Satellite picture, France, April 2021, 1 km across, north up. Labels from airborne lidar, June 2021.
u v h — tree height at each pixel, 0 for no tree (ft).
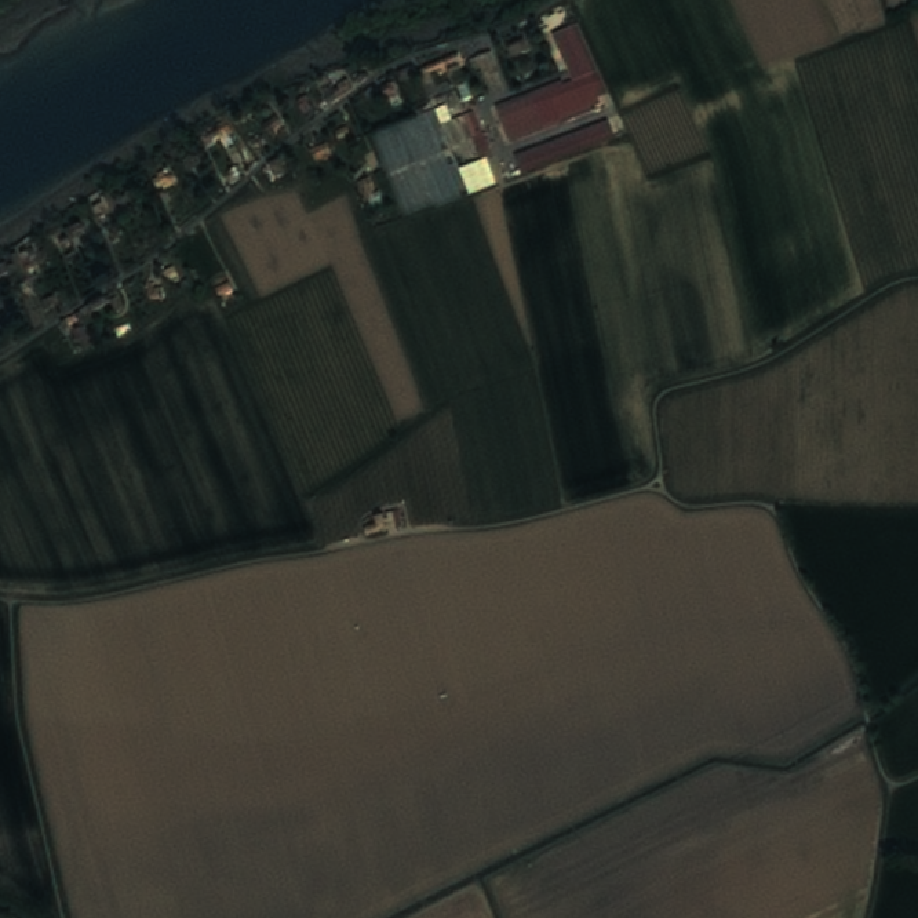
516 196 0
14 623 0
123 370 0
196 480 0
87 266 40
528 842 0
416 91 0
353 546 0
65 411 0
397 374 0
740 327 0
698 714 0
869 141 0
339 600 0
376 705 0
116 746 0
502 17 32
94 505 0
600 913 0
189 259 0
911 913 0
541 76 36
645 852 0
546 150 0
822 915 0
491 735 0
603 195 0
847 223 0
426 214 0
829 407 0
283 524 0
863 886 0
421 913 0
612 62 0
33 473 0
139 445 0
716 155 0
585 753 0
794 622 0
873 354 0
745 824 0
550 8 0
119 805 0
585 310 0
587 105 0
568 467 0
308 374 0
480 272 0
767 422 0
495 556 0
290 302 0
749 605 0
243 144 0
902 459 0
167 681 0
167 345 0
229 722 0
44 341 0
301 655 0
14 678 0
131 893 0
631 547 0
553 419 0
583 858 0
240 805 0
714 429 0
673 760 0
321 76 34
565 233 0
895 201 0
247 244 0
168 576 0
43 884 0
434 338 0
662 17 0
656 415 0
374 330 0
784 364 0
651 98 0
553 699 0
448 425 0
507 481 0
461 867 0
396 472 0
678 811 0
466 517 0
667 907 0
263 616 0
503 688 0
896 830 0
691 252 0
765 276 0
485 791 0
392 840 0
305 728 0
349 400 0
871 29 0
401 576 0
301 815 0
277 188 0
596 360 0
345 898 0
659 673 0
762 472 0
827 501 0
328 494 0
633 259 0
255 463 0
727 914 0
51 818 0
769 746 0
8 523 0
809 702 0
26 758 0
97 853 0
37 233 37
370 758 0
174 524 0
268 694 0
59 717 0
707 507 0
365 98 18
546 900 0
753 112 0
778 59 0
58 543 0
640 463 0
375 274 0
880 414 0
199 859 0
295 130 0
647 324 0
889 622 0
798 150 0
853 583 0
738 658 0
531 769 0
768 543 0
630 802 0
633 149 0
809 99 0
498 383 0
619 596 0
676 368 0
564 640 0
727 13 0
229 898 0
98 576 0
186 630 0
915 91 0
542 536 0
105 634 0
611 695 0
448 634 0
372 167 0
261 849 0
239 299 22
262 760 0
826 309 0
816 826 0
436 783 0
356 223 0
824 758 0
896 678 0
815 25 0
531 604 0
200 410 0
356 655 0
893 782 0
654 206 0
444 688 0
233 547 0
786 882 0
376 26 58
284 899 0
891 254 0
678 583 0
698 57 0
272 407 0
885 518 0
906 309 0
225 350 0
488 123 0
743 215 0
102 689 0
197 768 0
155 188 31
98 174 36
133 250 23
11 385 0
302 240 0
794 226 0
